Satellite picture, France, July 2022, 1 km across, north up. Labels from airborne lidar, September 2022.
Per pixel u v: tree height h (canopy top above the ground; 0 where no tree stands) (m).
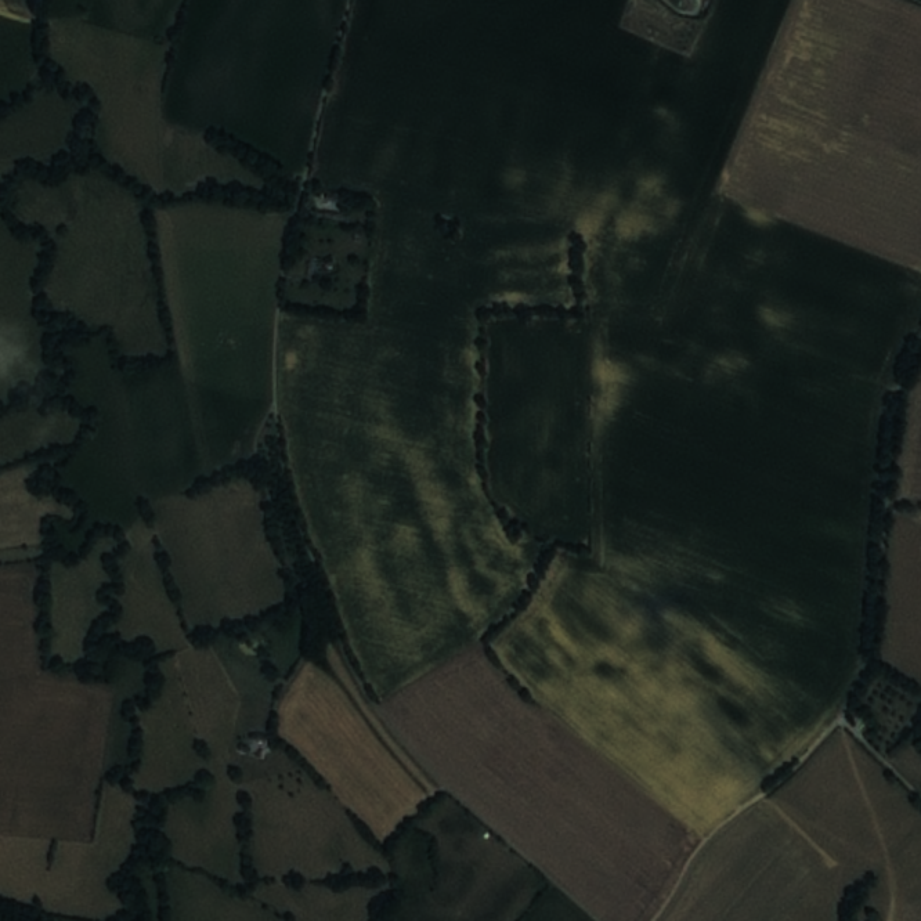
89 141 22
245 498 0
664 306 0
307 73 0
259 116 0
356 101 0
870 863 0
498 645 0
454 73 0
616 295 0
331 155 0
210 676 0
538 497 0
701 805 0
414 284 0
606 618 0
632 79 0
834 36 0
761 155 0
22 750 0
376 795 0
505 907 0
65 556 15
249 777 0
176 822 0
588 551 11
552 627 0
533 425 0
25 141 0
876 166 0
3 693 0
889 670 16
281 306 8
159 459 0
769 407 0
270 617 10
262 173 16
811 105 0
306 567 10
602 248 0
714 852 0
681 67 0
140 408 0
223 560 0
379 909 20
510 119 0
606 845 0
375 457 0
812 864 0
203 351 0
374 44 0
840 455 0
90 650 19
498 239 0
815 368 0
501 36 0
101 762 0
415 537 0
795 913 0
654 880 0
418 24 0
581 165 0
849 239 0
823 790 0
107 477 0
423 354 0
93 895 0
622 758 0
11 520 0
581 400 0
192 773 0
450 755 0
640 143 0
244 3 0
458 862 0
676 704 0
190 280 0
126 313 0
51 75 18
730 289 0
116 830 0
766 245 0
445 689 0
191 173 0
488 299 0
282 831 0
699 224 0
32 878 0
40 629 15
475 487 0
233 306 0
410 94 0
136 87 0
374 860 0
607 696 0
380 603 0
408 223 0
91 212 0
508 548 0
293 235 18
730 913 0
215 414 0
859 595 0
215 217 0
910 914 0
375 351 0
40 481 17
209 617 0
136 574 0
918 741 15
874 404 0
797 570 0
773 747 0
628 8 0
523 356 0
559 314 11
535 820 0
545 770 0
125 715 12
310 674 0
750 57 0
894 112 0
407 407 0
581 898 0
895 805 0
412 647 0
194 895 0
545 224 0
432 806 13
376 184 0
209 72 0
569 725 0
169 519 0
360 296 10
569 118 0
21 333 0
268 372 0
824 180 0
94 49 0
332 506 0
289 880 9
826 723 0
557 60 0
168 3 0
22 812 0
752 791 0
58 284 0
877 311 0
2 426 0
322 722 0
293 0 0
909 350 15
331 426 0
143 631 0
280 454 8
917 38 0
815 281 0
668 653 0
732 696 0
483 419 12
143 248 0
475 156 0
